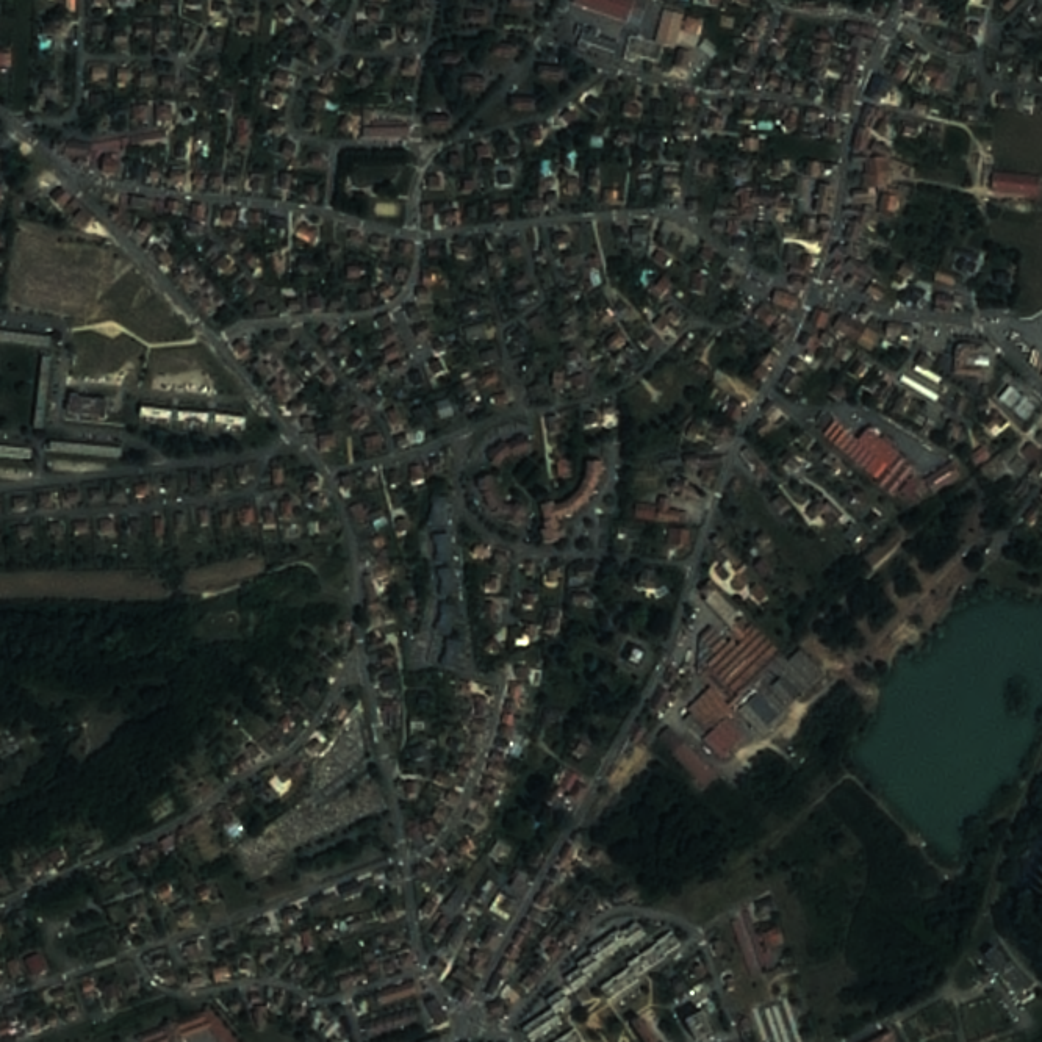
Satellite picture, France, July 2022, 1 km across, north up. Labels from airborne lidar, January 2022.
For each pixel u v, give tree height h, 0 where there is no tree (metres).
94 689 7
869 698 7
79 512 0
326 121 0
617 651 0
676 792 6
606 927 0
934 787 0
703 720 0
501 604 0
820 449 7
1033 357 0
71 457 0
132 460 16
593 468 0
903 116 0
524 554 0
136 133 0
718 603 0
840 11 0
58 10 8
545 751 0
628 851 15
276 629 9
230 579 0
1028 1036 0
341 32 0
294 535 0
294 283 11
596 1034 15
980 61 0
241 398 0
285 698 10
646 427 13
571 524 0
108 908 7
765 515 0
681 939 12
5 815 18
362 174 0
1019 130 0
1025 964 0
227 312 7
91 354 0
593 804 0
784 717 0
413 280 0
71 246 0
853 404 8
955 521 17
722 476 0
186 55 0
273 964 11
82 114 8
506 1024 0
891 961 6
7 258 8
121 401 0
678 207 0
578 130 11
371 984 0
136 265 0
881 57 0
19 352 0
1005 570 0
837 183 0
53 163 0
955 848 0
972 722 0
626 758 0
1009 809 0
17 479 0
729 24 0
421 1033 9
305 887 0
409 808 10
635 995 0
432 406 6
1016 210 0
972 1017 0
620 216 0
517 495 15
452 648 0
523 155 8
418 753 0
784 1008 0
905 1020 0
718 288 0
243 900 0
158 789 7
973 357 0
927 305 0
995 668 0
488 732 0
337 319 0
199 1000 0
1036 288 0
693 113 0
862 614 12
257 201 0
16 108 0
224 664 17
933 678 0
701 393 9
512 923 0
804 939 0
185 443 18
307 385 9
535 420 0
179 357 0
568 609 12
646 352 5
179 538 0
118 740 11
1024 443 0
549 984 7
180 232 7
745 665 0
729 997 0
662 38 0
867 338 0
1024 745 0
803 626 22
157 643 11
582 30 0
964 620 0
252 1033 0
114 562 11
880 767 0
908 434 0
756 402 0
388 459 0
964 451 14
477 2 16
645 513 0
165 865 11
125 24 0
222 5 0
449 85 21
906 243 0
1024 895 20
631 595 0
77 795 16
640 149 14
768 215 0
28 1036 0
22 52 0
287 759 0
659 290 0
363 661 0
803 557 0
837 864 0
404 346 0
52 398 0
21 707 16
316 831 0
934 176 0
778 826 0
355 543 0
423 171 0
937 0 6
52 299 0
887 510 0
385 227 0
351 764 0
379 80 6
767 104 0
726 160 6
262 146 0
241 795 10
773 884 0
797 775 8
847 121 0
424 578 14
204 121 6
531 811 30
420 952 0
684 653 0
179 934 0
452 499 0
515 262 0
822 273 0
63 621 20
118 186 0
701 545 0
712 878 10
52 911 0
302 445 0
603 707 9
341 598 0
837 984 0
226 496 0
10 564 6
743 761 0
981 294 10
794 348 0
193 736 18
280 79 0
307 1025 11
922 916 6
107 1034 0
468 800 0
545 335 0
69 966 0
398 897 0
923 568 8
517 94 0
